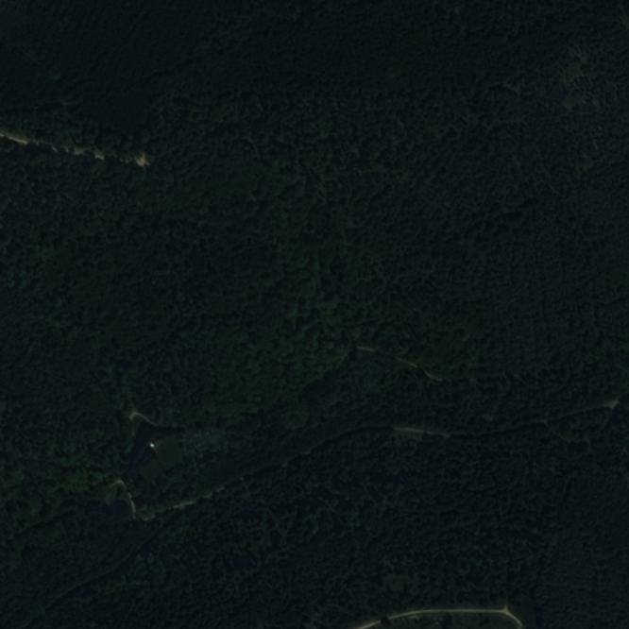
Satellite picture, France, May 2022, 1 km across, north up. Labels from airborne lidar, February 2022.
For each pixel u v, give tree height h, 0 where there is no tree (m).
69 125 31
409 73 21
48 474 31
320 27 0
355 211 7
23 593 22
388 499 34
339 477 9
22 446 22
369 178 33
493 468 15
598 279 17
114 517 26
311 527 30
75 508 24
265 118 33
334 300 33
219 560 7
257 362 33
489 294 15
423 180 8
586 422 18
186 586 16
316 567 16
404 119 30
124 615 6
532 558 11
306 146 29
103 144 30
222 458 12
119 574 21
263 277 13
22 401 9
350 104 29
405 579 0
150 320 15
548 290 20
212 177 31
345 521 33
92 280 9
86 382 11
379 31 0
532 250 16
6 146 22
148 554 24
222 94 29
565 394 20
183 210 29
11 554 35
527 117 9
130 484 22
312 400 25
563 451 19
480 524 16
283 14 10
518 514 12
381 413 14
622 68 10
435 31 20
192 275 8
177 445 0
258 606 14
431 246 9
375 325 17
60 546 21
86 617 15
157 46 16
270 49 0
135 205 27
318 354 30
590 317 12
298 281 30
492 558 28
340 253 31
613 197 14
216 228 20
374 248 12
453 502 13
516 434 8
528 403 14
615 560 18
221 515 11
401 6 21
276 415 23
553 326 16
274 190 30
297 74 0
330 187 16
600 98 8
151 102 21
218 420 6
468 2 17
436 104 30
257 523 30
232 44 19
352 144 23
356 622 5
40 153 33
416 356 21
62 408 10
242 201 22
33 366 8
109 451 30
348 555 18
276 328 23
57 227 11
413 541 15
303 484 9
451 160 8
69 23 10
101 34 11
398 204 6
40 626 17
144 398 13
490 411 11
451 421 9
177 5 15
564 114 9
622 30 9
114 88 16
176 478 19
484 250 10
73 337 12
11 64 15
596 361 25
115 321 13
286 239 19
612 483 15
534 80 9
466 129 13
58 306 31
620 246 20
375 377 21
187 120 29
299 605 11
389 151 30
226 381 28
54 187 29
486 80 17
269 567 16
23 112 28
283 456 11
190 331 26
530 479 11
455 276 8
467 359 17
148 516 26
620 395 15
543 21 9
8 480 32
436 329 9
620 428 29
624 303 15
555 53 7
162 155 22
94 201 33
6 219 35
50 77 13
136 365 11
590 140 10
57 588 13
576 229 14
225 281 13
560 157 10
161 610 13
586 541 14
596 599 19
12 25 13
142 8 14
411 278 14
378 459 10
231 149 30
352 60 0
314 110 34
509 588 15
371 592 21
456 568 31
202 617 12
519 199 12
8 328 12
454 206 7
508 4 9
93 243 12
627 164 14
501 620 0
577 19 23
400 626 0
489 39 18
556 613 21
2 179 32
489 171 8
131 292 11
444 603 13
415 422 10
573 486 15
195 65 16
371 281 12
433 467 11
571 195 16
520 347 18
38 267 29
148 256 6
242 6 14
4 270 38
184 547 9
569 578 20
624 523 17
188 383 32
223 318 22
